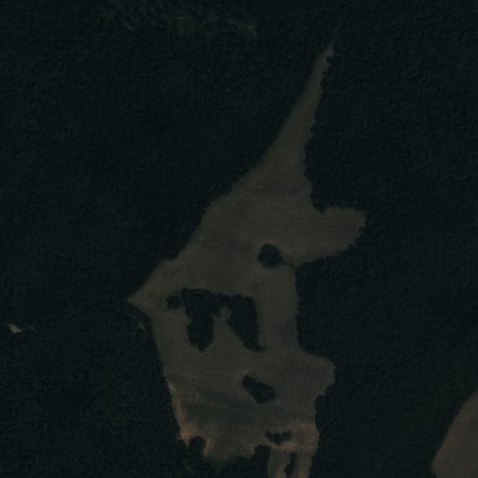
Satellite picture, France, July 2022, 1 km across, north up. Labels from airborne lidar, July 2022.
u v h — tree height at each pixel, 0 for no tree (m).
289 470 13
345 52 24
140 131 22
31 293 24
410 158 14
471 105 18
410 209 21
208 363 0
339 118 15
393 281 17
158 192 23
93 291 21
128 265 24
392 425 14
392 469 15
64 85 19
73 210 28
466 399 14
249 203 0
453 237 14
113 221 12
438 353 21
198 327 20
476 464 0
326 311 19
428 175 15
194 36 12
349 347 17
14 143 19
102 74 26
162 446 28
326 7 17
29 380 13
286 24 14
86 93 20
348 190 18
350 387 18
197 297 22
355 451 18
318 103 0
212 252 0
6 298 17
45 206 23
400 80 27
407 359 13
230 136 23
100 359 7
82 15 21
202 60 23
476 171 20
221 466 0
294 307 0
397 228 23
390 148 19
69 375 23
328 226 0
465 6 9
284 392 0
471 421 0
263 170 0
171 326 0
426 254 17
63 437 29
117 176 25
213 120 21
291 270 0
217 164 18
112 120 22
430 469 17
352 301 16
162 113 22
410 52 23
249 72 11
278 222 0
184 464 9
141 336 17
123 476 24
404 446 7
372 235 22
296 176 0
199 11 23
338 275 17
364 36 23
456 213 19
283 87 26
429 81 18
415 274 17
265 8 15
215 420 0
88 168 29
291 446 0
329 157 14
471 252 13
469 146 19
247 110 20
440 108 18
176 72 18
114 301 19
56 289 20
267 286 0
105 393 17
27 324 14
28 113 19
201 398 0
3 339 22
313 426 0
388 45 24
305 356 0
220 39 20
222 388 0
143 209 22
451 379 15
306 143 0
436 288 17
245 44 23
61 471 19
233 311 16
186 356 0
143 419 12
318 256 0
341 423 16
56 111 19
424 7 18
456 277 19
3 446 25
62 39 19
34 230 20
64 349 33
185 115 14
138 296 0
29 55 15
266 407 0
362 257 16
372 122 21
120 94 22
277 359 0
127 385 15
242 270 0
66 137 23
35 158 20
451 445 0
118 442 18
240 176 9
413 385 16
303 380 0
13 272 19
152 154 24
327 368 0
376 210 19
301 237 0
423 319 14
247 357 0
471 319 23
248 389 14
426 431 14
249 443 0
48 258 15
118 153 23
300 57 20
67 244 15
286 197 0
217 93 20
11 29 18
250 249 0
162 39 23
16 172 22
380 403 16
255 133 25
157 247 24
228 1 22
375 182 13
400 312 15
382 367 19
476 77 17
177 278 0
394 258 14
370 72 15
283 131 0
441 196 22
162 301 0
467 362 17
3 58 20
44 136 25
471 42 18
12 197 16
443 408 14
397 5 20
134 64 23
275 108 18
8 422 23
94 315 27
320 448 9
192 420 0
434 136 23
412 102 14
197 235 0
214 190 21
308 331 23
